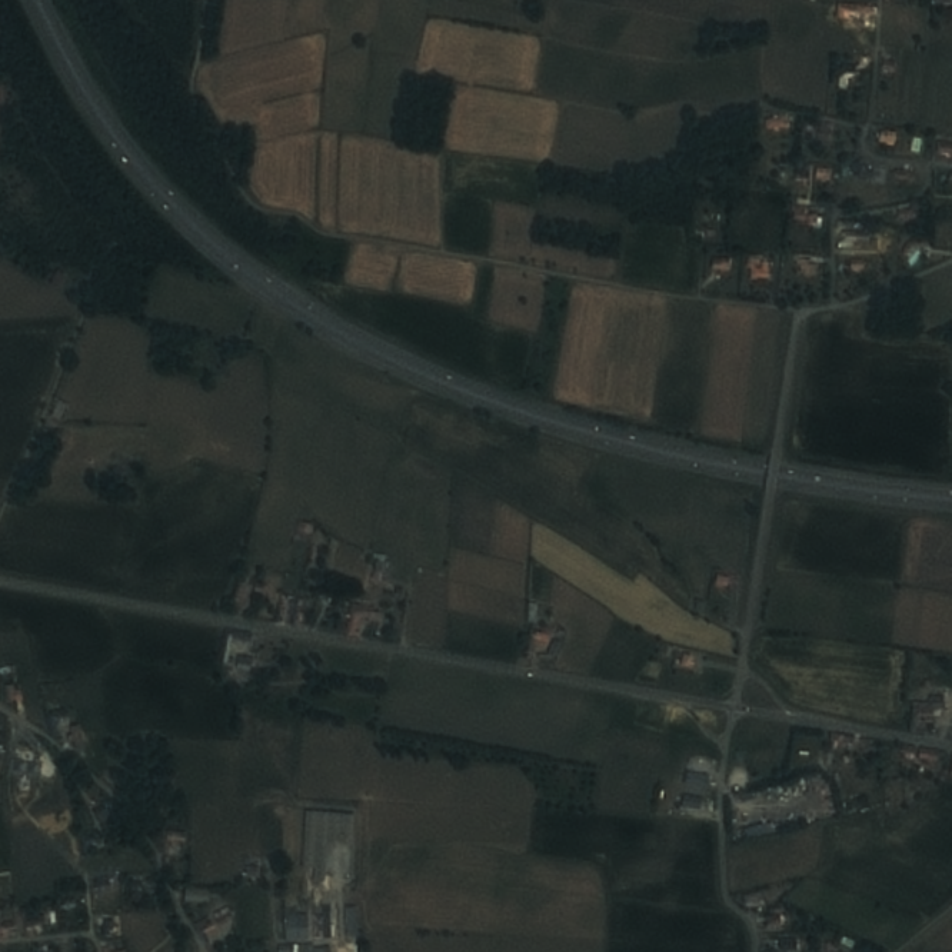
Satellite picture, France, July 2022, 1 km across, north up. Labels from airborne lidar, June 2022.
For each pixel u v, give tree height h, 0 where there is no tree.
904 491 0
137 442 0
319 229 0
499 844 0
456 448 0
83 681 0
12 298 0
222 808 0
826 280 7
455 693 0
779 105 9
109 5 21
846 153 9
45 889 0
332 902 0
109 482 23
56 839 0
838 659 0
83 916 8
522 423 0
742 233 0
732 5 0
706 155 27
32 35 8
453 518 0
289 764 0
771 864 0
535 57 0
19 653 0
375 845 0
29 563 0
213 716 0
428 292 0
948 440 0
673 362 0
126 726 0
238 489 0
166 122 21
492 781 0
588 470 0
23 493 22
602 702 0
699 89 0
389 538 0
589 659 0
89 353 0
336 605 6
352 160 0
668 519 0
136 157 0
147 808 26
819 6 0
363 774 0
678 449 0
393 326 0
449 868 0
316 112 0
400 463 0
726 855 0
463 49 0
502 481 0
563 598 0
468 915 0
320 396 0
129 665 0
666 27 0
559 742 0
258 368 0
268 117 0
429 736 11
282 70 0
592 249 14
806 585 0
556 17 0
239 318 0
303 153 0
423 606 0
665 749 0
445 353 0
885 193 0
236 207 13
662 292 0
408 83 21
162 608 0
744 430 0
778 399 0
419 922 0
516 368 0
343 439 0
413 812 0
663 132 0
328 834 0
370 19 0
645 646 0
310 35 0
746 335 0
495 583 0
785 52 0
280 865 20
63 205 9
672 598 0
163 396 0
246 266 0
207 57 11
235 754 0
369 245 0
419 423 0
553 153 0
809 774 12
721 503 0
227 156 18
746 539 0
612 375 0
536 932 0
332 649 0
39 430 8
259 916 0
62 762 17
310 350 0
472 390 0
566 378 0
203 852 0
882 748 11
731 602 0
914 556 0
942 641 0
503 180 0
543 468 0
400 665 0
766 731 0
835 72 11
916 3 6
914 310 22
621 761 0
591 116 0
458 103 0
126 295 17
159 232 14
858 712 0
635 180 25
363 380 0
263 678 15
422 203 0
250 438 0
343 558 0
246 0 0
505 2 0
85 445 0
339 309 0
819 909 0
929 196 8
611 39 0
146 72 22
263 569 10
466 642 0
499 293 0
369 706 0
